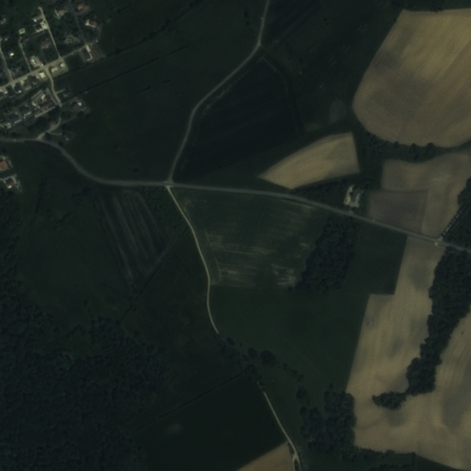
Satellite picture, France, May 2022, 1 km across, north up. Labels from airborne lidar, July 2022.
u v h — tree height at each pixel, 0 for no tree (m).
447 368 0
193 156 0
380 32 0
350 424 25
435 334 15
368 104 0
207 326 0
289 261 0
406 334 0
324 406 0
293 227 0
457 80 0
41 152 0
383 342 0
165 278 0
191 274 0
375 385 0
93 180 0
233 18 0
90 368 29
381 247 0
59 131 0
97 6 0
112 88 0
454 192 0
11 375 26
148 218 0
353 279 0
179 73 0
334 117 0
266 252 0
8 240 25
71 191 0
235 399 0
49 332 24
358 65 0
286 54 0
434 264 0
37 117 0
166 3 0
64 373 25
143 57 0
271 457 0
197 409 0
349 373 0
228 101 0
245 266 0
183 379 0
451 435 0
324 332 0
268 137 0
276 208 0
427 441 0
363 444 0
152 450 0
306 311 0
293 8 0
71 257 0
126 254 0
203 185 0
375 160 9
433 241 0
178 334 0
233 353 18
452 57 0
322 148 0
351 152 0
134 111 0
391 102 0
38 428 27
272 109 0
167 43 0
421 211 0
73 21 8
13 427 33
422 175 0
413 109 0
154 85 0
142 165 0
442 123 0
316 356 0
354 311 0
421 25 0
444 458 0
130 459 21
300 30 0
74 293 0
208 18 0
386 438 0
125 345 25
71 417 28
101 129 0
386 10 0
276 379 0
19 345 29
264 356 9
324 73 0
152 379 28
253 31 13
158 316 0
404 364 0
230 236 0
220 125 0
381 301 0
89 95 0
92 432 25
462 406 0
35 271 0
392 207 0
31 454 30
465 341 0
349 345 0
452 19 0
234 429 0
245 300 0
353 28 0
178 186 0
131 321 0
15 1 12
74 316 0
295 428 0
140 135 0
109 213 0
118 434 28
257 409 0
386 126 0
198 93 0
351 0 0
